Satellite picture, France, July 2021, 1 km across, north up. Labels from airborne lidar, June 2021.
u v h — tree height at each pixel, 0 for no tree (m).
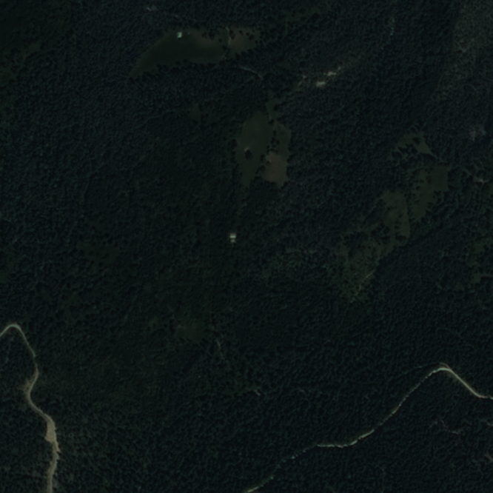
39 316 26
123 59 17
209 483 10
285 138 0
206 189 10
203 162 11
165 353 7
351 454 15
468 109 16
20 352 14
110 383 7
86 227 28
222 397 12
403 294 24
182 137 9
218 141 13
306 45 17
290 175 20
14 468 14
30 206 9
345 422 23
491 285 15
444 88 6
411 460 13
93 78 19
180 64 12
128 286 9
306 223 21
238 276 25
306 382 22
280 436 25
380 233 10
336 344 18
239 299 8
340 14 21
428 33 24
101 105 19
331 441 20
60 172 19
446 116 14
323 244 9
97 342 14
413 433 23
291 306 10
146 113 16
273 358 30
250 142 0
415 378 14
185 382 11
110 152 22
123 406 10
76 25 20
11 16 18
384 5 9
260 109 9
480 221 16
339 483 29
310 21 7
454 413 17
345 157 24
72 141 19
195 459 18
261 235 12
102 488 10
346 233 15
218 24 17
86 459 8
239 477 11
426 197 0
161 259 13
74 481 7
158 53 0
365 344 29
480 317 29
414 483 8
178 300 7
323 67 17
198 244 21
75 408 24
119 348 8
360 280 12
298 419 13
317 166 9
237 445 30
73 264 22
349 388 18
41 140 13
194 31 0
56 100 22
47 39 15
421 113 20
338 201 19
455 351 18
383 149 23
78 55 7
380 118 21
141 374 6
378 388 15
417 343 24
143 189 9
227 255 10
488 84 11
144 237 8
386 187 21
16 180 17
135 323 9
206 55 0
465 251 12
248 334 9
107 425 29
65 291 9
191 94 21
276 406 16
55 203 21
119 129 16
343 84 11
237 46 0
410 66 7
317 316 6
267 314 9
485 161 12
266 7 16
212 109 12
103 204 17
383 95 22
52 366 9
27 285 10
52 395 8
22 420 24
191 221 10
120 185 18
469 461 26
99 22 21
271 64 28
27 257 7
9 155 23
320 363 25
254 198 10
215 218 10
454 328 23
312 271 23
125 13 16
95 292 14
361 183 16
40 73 23
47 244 18
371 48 17
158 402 6
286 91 10
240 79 15
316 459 26
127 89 24
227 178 13
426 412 18
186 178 10
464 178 12
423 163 8
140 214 9
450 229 22
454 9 9
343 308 11
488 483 20
